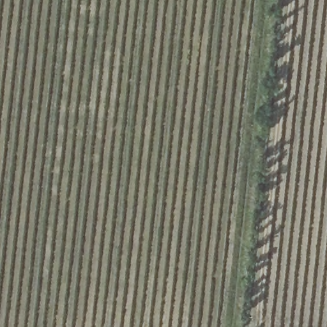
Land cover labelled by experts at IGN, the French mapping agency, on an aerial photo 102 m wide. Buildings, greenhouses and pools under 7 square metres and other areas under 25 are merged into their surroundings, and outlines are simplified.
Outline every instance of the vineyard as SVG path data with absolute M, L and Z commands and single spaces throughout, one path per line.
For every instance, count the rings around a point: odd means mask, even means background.
M 248 167 L 243 166 L 241 175 L 236 171 L 255 0 L 0 0 L 0 327 L 226 327 L 226 317 L 234 318 L 244 209 L 249 209 L 249 206 L 245 206 Z
M 247 295 L 244 298 L 241 316 L 243 327 L 327 327 L 327 0 L 278 0 L 278 9 L 282 10 L 282 15 L 273 24 L 275 51 L 272 52 L 271 68 L 275 78 L 280 80 L 281 87 L 276 89 L 275 97 L 268 100 L 271 115 L 266 126 L 271 129 L 270 148 L 262 153 L 264 181 L 258 185 L 258 190 L 268 192 L 268 199 L 262 201 L 254 211 L 253 230 L 259 232 L 259 240 L 255 241 L 249 253 L 253 261 L 252 273 L 255 275 L 255 281 L 245 291 Z

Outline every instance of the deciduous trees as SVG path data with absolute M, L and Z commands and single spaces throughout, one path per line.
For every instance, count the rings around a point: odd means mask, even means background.
M 259 232 L 253 230 L 254 211 L 262 201 L 268 199 L 268 192 L 258 190 L 258 185 L 264 181 L 262 153 L 270 148 L 271 129 L 266 126 L 271 115 L 268 100 L 275 97 L 276 89 L 281 87 L 280 80 L 275 78 L 271 68 L 272 52 L 275 51 L 273 24 L 282 15 L 282 10 L 278 9 L 278 0 L 255 0 L 236 171 L 241 175 L 243 166 L 248 167 L 245 206 L 249 206 L 249 209 L 244 209 L 234 318 L 226 317 L 226 327 L 243 327 L 241 316 L 244 298 L 247 295 L 245 291 L 255 281 L 255 275 L 252 273 L 253 261 L 249 253 L 255 241 L 259 240 Z

